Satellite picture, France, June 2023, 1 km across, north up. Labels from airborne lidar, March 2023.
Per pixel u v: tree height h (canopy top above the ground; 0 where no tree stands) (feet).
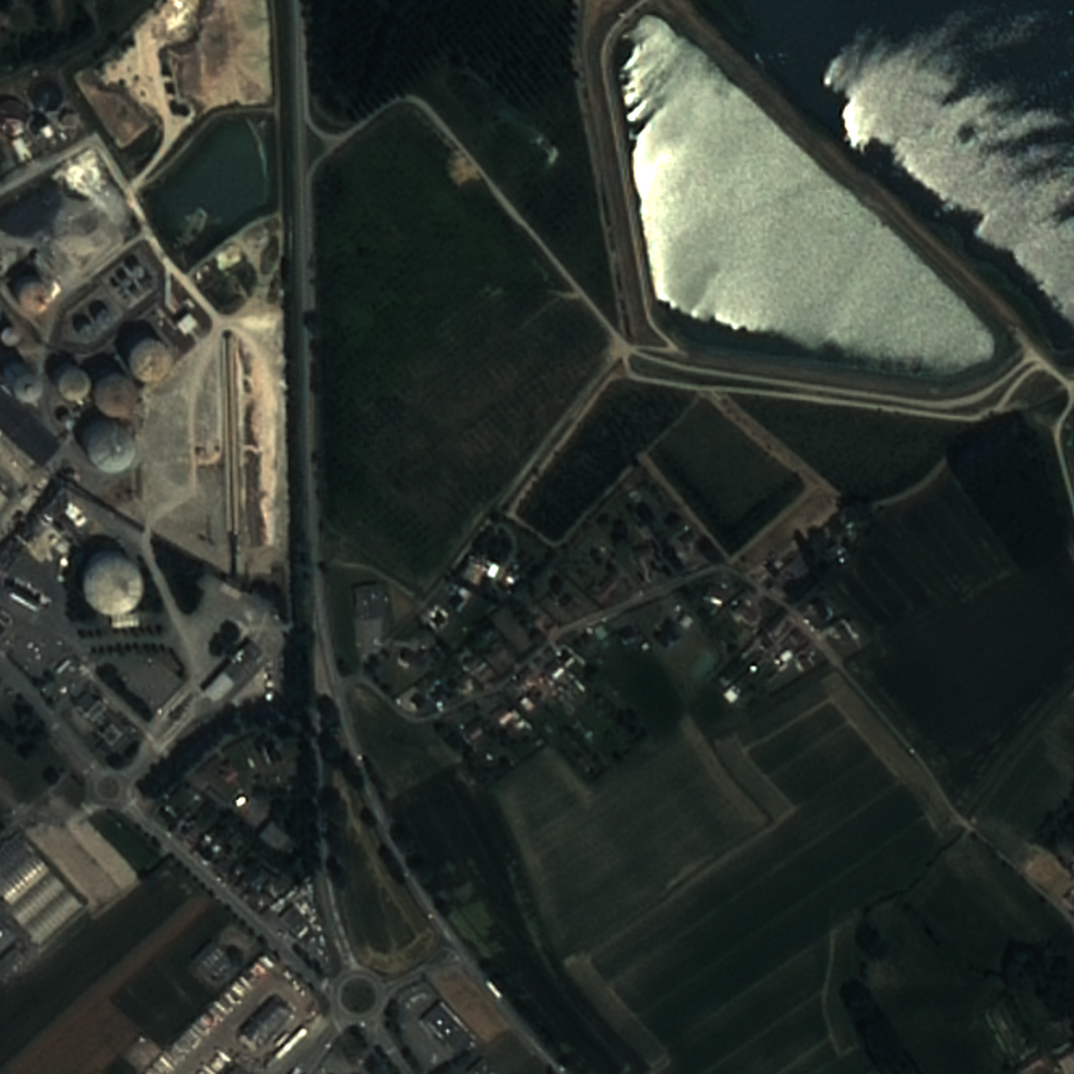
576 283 0
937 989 0
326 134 0
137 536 0
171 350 0
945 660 0
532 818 0
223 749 0
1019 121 0
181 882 0
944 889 0
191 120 0
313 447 0
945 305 0
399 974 0
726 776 0
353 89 0
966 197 0
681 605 0
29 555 0
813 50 0
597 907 0
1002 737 0
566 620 0
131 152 0
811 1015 0
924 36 0
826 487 0
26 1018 0
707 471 0
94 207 0
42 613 0
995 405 0
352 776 47
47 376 0
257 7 0
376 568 0
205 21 0
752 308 0
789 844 0
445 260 0
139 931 0
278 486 0
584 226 0
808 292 0
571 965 0
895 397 0
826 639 0
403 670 0
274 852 52
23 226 0
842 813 0
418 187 0
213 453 0
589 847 0
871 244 0
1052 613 0
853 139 0
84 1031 0
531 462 0
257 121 0
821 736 0
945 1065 0
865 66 0
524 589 37
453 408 0
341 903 0
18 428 0
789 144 0
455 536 0
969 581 0
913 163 0
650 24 0
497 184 0
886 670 0
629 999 0
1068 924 0
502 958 0
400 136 0
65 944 0
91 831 0
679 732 0
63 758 0
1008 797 0
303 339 0
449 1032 0
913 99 0
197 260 0
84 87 0
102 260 0
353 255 0
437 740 0
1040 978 64
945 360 0
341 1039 0
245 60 0
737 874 0
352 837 0
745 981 0
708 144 0
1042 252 0
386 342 0
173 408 0
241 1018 0
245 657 0
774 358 0
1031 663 0
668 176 0
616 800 0
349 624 0
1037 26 0
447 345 0
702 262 0
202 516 0
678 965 0
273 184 0
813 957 0
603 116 0
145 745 0
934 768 0
